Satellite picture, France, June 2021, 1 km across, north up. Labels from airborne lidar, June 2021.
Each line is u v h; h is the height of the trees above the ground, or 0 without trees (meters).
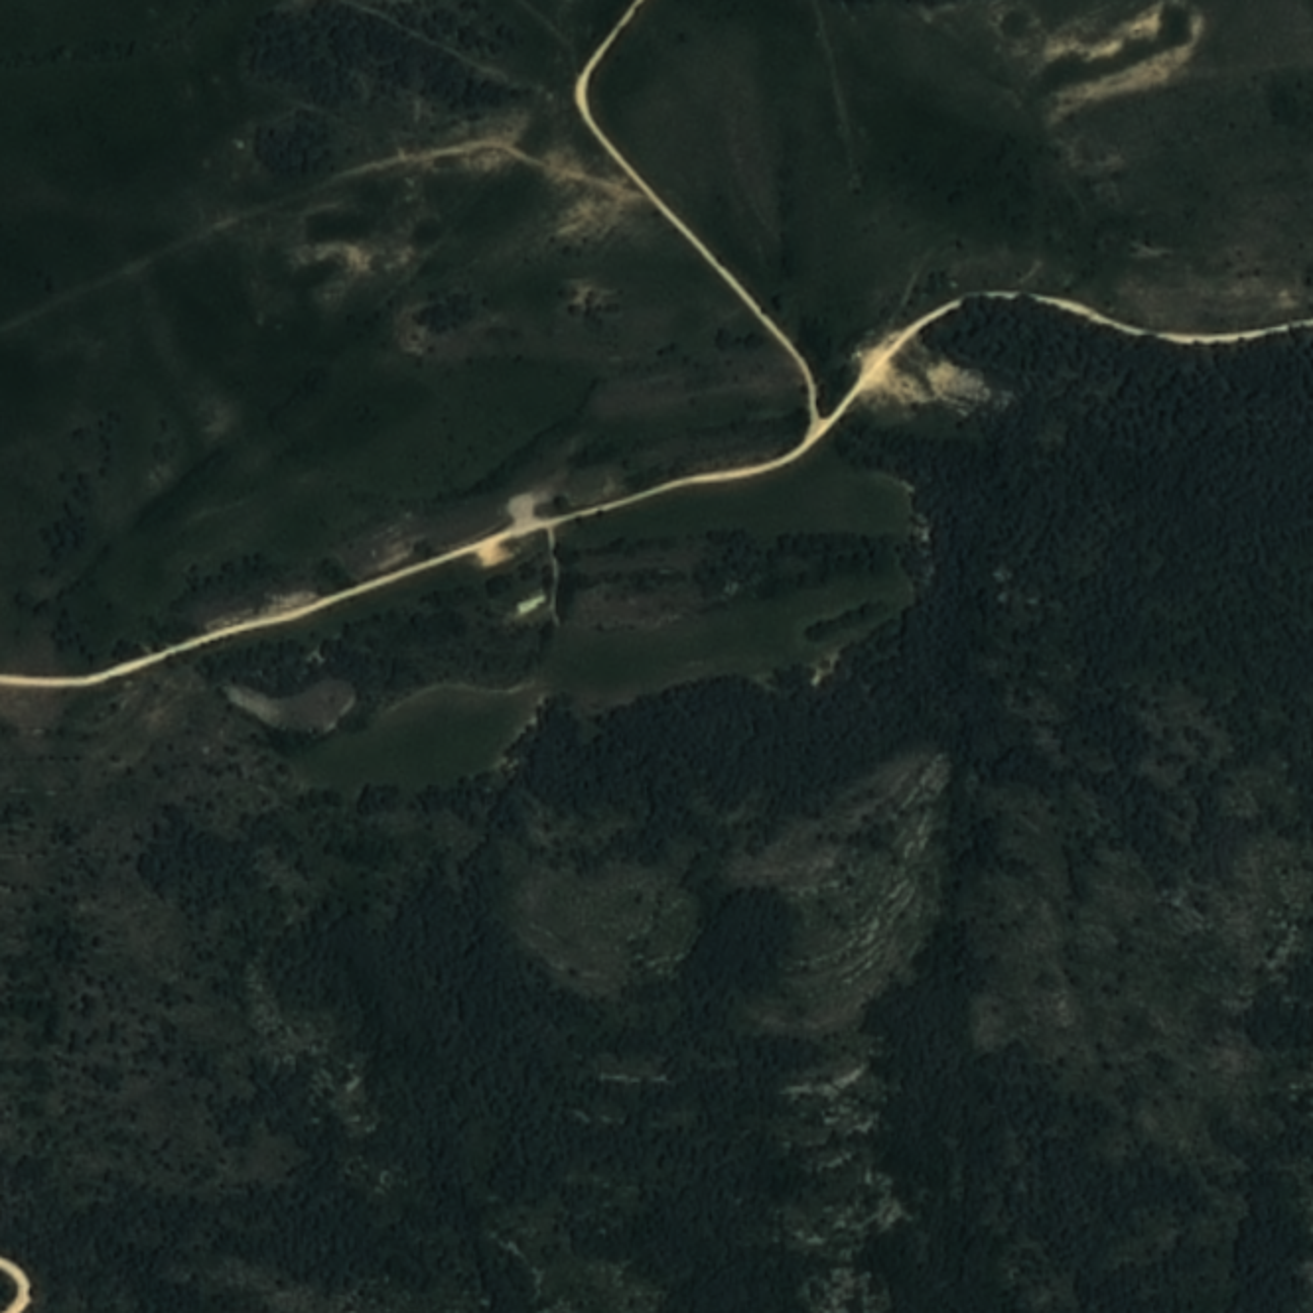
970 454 11
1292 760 7
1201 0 0
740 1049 10
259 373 0
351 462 0
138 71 0
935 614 8
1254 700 6
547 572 7
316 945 9
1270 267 0
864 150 0
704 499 0
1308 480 9
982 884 0
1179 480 9
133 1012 6
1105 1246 10
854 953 0
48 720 0
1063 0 0
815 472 0
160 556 0
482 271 0
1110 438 9
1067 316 9
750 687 9
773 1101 8
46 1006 6
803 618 0
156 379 0
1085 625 8
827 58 0
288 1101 9
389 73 7
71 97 0
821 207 0
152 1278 13
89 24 0
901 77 0
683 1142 6
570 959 0
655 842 10
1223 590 7
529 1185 8
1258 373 10
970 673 12
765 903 12
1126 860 0
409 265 0
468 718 0
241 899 7
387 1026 11
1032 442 8
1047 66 0
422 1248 6
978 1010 0
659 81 0
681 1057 7
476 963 10
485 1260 10
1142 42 0
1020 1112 11
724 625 0
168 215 0
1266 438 9
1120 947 6
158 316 0
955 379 0
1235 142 0
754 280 0
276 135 7
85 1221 12
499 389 0
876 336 0
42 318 0
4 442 0
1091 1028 0
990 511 11
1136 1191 8
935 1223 11
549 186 0
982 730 13
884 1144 7
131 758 0
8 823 6
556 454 0
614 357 0
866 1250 6
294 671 6
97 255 0
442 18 8
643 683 0
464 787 7
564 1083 7
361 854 11
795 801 9
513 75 0
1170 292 0
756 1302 8
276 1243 7
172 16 0
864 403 0
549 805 8
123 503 0
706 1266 8
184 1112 0
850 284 0
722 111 0
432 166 0
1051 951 0
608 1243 6
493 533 0
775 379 0
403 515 0
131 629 0
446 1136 11
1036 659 7
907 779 0
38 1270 7
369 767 0
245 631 0
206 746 0
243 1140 6
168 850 9
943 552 12
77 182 0
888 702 13
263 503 0
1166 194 0
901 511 0
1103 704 7
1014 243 0
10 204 0
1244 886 0
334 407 0
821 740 11
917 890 0
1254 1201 8
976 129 0
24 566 0
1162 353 15
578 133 0
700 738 12
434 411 0
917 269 0
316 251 0
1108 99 0
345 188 0
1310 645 8
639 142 0
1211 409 17
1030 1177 5
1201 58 0
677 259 0
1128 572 9
